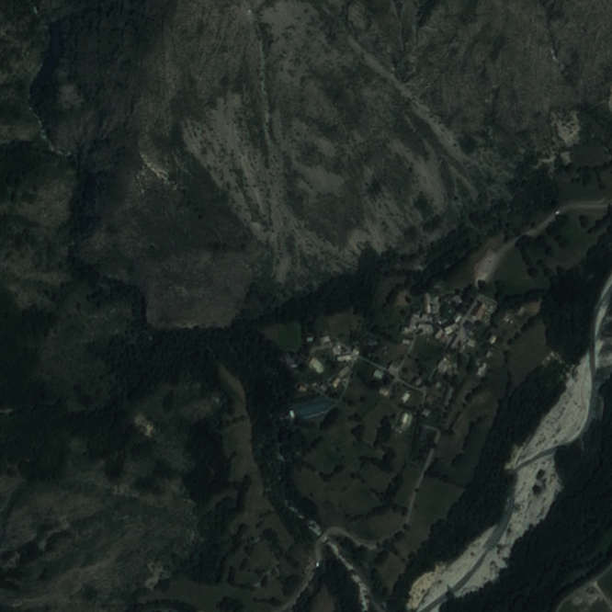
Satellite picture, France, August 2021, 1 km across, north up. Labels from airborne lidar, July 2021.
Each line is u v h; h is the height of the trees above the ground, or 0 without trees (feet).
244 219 21
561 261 0
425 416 22
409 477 0
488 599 19
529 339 0
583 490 32
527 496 0
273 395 55
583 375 0
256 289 25
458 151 0
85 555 24
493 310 0
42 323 46
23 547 27
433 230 33
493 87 22
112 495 22
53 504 0
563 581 45
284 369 59
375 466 31
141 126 0
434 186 0
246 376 71
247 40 0
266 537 19
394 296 54
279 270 0
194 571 37
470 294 37
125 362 42
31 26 29
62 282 27
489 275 0
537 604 76
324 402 0
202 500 31
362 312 63
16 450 50
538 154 27
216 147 0
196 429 46
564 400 0
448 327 0
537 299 44
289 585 37
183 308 0
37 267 24
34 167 31
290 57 0
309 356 19
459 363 23
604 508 74
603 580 0
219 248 58
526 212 28
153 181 0
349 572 29
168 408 49
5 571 24
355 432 43
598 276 29
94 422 61
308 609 45
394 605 43
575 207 0
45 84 21
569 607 0
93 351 24
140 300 52
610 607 0
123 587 29
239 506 40
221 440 36
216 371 60
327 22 21
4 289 40
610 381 33
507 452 61
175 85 0
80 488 22
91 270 69
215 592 0
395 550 36
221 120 0
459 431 0
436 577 0
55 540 31
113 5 26
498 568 0
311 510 44
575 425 0
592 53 0
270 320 29
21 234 27
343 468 31
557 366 30
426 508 0
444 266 43
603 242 45
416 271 25
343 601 42
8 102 20
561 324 45
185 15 0
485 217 53
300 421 64
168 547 24
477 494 63
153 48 0
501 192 25
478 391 39
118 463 23
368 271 54
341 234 0
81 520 32
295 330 0
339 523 0
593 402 0
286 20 0
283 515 37
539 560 41
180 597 0
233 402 49
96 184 52
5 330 64
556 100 0
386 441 44
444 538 64
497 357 0
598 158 0
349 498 0
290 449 41
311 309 64
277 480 26
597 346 0
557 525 46
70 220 44
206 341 67
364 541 0
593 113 23
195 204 20
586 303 29
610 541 0
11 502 26
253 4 0
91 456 30
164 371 49
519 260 0
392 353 0
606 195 0
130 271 20
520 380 0
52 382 20
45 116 22
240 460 0
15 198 49
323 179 0
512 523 0
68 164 38
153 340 44
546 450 0
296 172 24
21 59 43
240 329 40
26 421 52
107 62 18
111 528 0
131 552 19
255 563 0
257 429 48
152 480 23
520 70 20
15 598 0
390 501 37
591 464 21
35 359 42
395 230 0
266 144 20
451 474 0
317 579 34
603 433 22
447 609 34
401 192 27
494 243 0
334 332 0
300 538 33
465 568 0
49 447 29
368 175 0
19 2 26
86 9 21
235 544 19
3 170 64
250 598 0
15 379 70
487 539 0
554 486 0
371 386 30
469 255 29
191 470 21
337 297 71
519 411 74
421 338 0
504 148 21
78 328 18
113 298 24
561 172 37
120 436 53
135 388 31
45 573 30
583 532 55
